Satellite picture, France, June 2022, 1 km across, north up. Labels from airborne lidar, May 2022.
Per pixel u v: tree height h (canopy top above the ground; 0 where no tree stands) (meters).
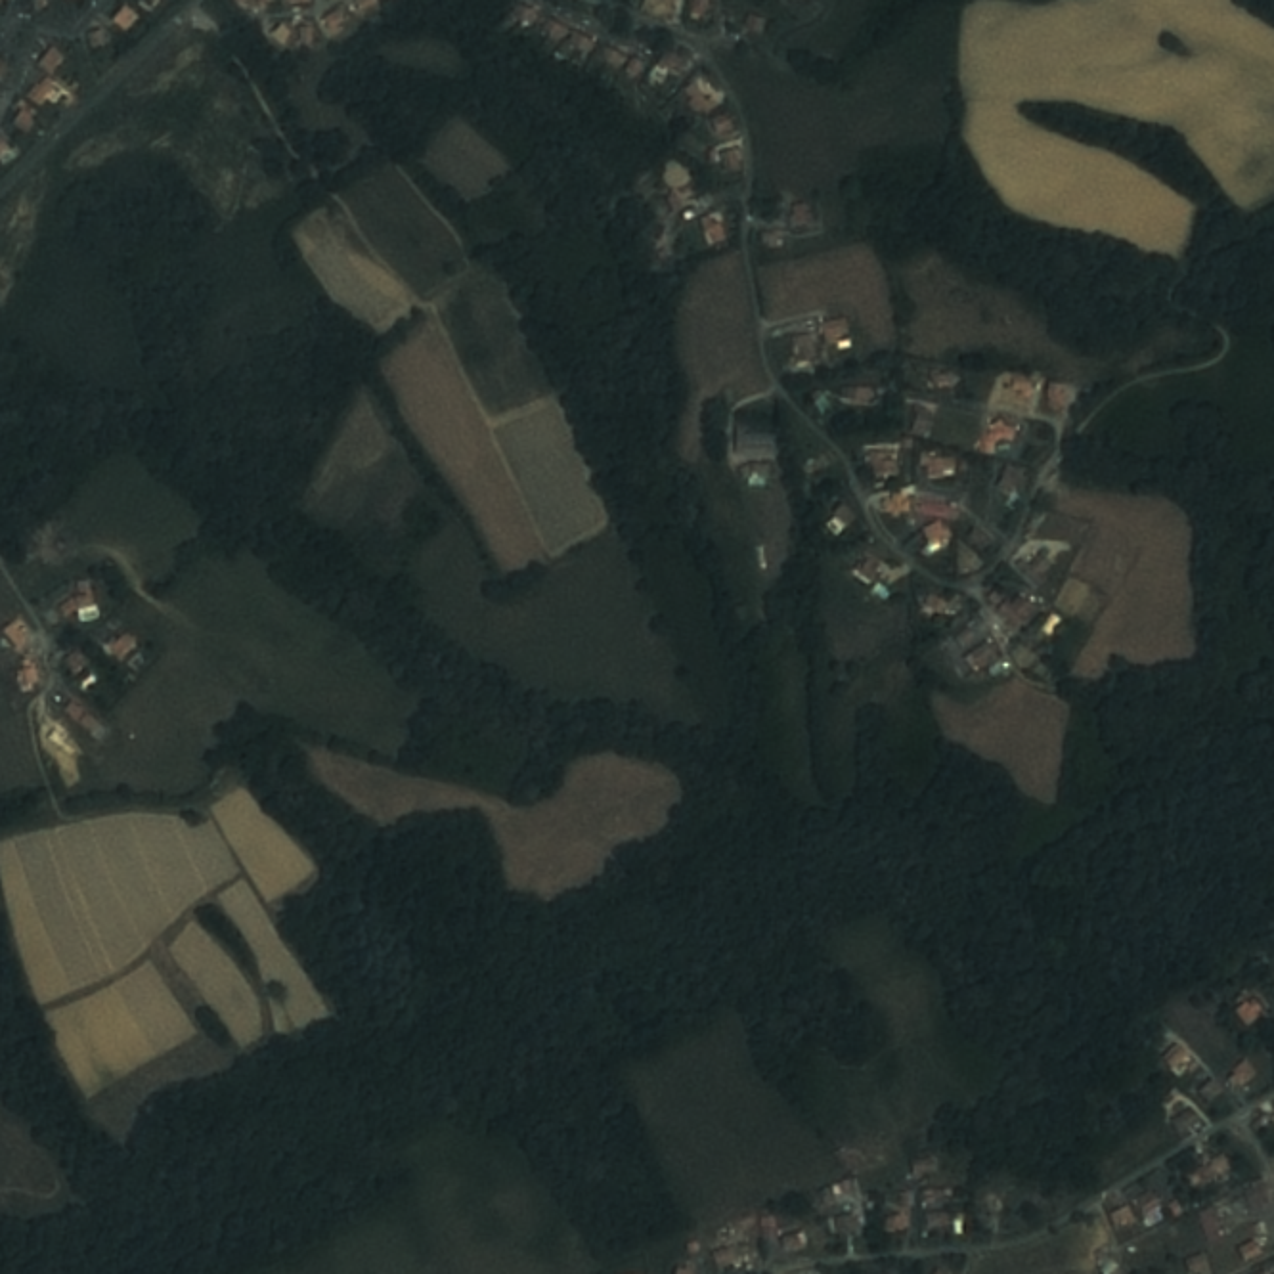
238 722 10
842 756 0
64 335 0
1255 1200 0
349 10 0
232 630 0
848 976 8
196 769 0
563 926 16
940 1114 8
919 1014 0
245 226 0
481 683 13
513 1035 7
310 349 7
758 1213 0
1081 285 18
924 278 0
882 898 10
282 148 10
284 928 9
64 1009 0
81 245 8
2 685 0
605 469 11
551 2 11
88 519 0
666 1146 0
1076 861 20
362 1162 11
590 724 23
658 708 0
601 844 0
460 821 13
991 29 0
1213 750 20
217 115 0
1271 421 0
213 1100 20
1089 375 0
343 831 15
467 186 0
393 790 0
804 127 0
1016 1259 0
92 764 0
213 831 0
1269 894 14
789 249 0
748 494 0
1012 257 10
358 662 0
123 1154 18
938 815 17
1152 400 0
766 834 18
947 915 10
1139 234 0
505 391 0
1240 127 0
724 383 0
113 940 0
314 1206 12
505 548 0
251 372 9
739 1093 0
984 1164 9
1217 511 24
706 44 0
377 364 14
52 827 0
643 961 8
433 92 20
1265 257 22
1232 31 0
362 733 0
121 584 14
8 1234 18
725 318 0
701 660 0
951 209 16
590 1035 21
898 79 0
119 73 0
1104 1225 0
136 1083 0
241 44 16
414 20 17
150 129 0
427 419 0
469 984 15
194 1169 15
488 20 9
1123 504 0
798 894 9
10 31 0
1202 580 17
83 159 0
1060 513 0
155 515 0
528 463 0
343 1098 11
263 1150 12
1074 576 0
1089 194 0
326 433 8
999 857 10
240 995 0
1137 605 0
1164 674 16
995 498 0
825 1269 7
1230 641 0
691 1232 0
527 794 15
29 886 0
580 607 0
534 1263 0
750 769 18
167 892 0
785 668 0
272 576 8
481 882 8
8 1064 20
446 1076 11
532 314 13
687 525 12
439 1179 0
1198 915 21
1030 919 14
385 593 12
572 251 0
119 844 0
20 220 0
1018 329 0
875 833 12
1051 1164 12
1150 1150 0
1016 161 0
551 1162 13
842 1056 10
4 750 0
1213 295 11
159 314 19
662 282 11
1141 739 25
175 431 20
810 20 0
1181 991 14
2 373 9
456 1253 0
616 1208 12
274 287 0
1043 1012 16
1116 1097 0
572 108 10
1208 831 18
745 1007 11
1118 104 0
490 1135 13
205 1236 22
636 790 0
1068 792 9
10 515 16
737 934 11
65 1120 22
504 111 7
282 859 0
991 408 0
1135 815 21
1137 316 17
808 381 12
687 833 16
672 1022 17
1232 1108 0
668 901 18
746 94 0
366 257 0
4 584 0
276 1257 9
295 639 0
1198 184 16
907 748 0
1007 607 0
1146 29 0
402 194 0
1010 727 0
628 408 11
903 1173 0
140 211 12
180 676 0
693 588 0
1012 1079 9
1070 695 14
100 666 10
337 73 9
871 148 0
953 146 8
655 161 9
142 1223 23
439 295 0
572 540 0
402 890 25
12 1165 0
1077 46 0
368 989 29
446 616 0
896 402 11
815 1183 0
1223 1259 0
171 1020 0
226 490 23
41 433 15
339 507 0
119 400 18
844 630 0
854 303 0
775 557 0
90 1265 14
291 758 10
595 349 9
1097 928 10
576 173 13
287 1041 15
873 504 0
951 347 0
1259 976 12
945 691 9
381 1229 0
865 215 0
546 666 0
